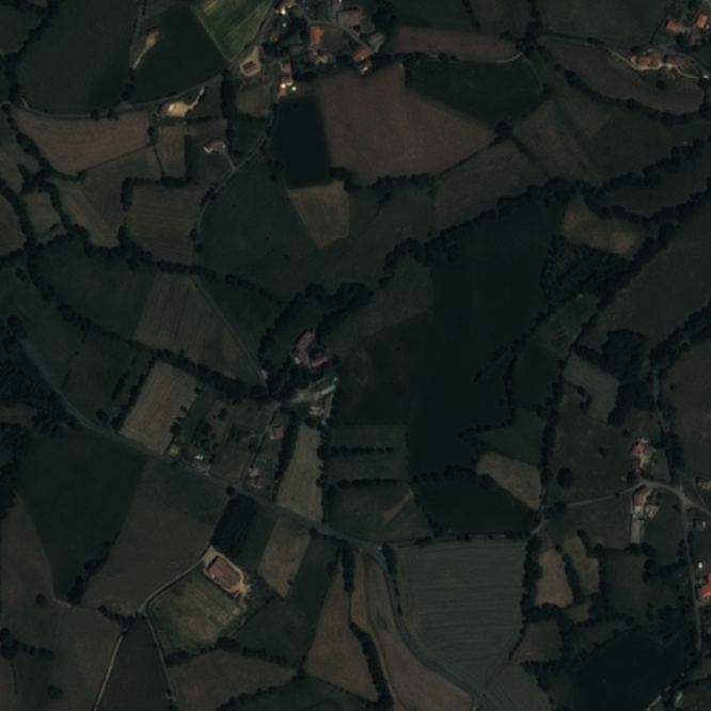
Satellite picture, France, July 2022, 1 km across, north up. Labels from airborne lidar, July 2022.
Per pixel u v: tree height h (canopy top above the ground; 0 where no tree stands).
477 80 0
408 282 0
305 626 0
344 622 0
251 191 0
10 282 0
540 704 0
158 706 0
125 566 0
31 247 16
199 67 0
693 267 0
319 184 0
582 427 0
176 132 0
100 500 0
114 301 0
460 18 0
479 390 0
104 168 0
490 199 0
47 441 0
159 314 0
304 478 0
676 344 16
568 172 0
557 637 0
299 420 18
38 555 0
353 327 0
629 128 0
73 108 0
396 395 0
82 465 0
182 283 0
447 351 0
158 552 0
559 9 0
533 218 0
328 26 0
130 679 0
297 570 0
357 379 0
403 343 0
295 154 0
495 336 0
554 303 16
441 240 12
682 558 14
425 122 0
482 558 0
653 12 0
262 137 0
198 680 0
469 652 0
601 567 6
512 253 0
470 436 14
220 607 0
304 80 16
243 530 21
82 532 0
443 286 0
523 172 0
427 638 0
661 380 10
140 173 0
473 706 0
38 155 12
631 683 0
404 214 0
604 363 22
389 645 0
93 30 0
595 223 0
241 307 0
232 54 0
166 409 0
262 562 0
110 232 0
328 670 0
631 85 0
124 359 0
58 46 0
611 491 0
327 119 0
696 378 0
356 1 0
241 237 0
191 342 0
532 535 11
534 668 17
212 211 0
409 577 0
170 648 0
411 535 0
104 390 0
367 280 0
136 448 0
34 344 0
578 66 0
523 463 0
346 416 0
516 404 16
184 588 0
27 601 0
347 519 0
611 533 0
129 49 0
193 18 0
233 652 14
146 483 0
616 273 13
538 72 0
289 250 0
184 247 0
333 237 0
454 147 0
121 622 12
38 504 0
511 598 0
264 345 17
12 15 0
